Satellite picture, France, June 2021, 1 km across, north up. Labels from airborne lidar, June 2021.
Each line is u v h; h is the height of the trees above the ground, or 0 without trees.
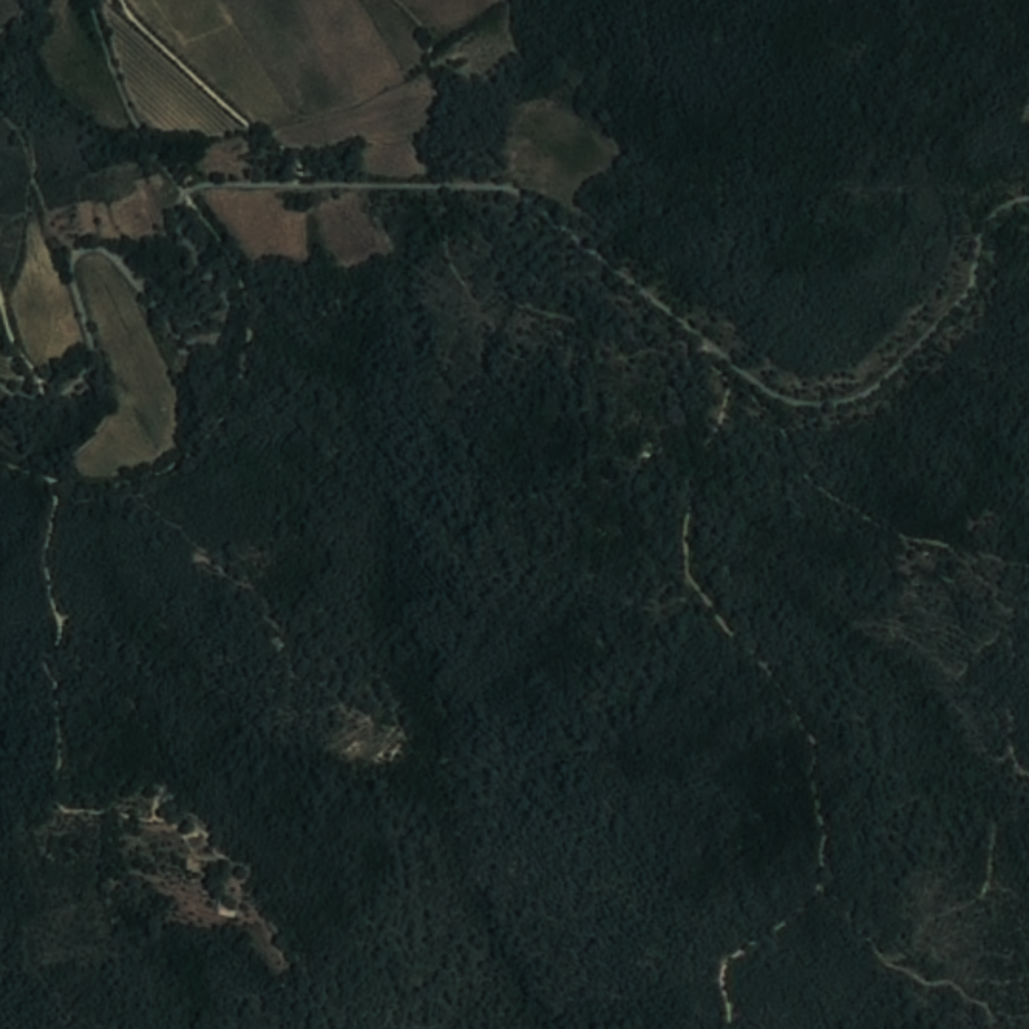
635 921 11
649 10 9
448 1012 17
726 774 12
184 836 14
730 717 13
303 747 19
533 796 18
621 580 14
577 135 0
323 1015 14
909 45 11
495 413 12
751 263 14
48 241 7
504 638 13
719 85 12
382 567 13
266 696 16
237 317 15
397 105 0
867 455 8
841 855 12
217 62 0
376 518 17
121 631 15
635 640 16
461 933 15
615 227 16
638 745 15
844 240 7
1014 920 7
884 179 14
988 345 12
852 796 16
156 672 14
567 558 15
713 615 16
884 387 7
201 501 8
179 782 14
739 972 9
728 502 12
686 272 11
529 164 0
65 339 0
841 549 11
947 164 14
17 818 12
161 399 0
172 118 0
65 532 9
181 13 0
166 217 10
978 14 8
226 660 7
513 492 8
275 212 0
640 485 20
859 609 14
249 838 14
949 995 10
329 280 14
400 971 19
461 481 20
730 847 9
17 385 10
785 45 9
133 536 8
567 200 0
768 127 12
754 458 14
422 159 15
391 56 0
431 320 18
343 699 19
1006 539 9
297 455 8
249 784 13
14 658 10
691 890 12
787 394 11
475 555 14
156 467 12
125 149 11
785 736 10
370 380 20
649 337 19
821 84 9
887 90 11
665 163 9
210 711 11
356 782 9
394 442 18
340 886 17
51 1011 9
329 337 14
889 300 7
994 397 13
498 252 11
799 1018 8
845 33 8
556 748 20
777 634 16
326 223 0
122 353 0
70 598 9
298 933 8
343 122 0
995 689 10
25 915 11
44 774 7
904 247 7
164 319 18
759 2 7
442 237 10
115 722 9
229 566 7
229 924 8
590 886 8
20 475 13
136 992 11
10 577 10
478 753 18
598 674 14
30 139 9
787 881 15
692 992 9
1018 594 8
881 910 12
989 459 11
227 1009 10
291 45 0
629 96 11
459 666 20
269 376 17
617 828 17
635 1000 11
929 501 12
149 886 11
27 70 14
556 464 11
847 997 8
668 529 14
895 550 10
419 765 6
